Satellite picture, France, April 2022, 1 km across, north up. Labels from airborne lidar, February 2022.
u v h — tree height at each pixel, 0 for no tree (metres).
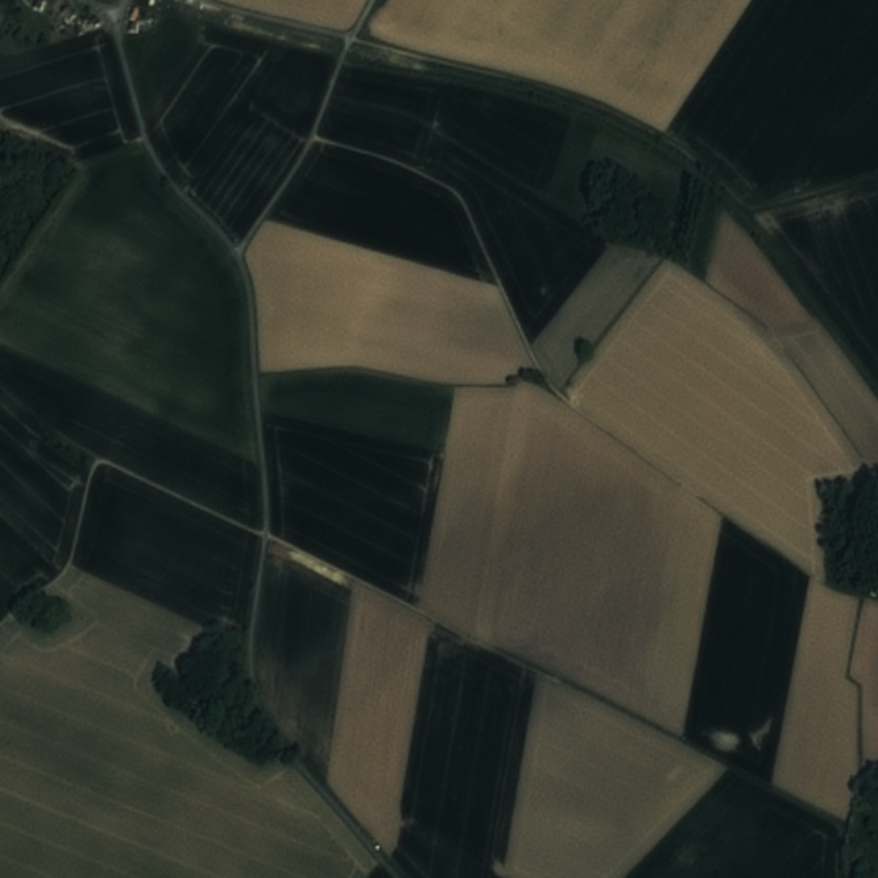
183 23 0
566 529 0
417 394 0
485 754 0
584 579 0
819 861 0
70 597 0
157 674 9
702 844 0
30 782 0
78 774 0
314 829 0
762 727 0
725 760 0
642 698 0
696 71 0
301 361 0
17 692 0
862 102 0
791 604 0
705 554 0
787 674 0
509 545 0
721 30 0
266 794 0
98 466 0
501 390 0
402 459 0
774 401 0
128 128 0
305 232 0
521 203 0
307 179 0
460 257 0
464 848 0
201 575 0
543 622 0
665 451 0
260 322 0
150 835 0
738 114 0
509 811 0
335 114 0
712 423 0
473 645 0
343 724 0
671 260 18
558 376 0
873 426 0
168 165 0
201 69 0
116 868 0
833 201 0
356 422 0
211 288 0
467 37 0
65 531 0
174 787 0
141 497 0
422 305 0
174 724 0
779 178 0
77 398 0
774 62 0
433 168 0
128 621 0
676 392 0
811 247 0
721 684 0
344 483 0
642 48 0
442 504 0
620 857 0
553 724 0
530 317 0
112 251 0
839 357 0
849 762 0
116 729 0
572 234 0
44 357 0
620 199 37
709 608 0
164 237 0
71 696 0
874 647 0
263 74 0
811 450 0
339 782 0
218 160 0
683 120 0
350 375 0
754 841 0
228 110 0
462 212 0
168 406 0
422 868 0
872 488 32
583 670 0
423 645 0
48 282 0
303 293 0
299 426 0
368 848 0
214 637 15
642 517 0
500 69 0
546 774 0
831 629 0
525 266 0
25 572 0
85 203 0
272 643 0
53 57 0
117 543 0
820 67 0
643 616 0
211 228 0
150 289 0
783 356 0
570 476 0
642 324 0
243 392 0
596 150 0
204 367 0
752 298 0
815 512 0
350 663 0
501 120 0
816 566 0
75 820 0
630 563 0
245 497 0
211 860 0
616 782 0
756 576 0
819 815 0
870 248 0
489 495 0
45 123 0
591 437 0
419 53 0
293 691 0
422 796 0
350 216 0
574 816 0
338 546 0
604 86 0
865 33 0
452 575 0
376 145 0
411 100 0
